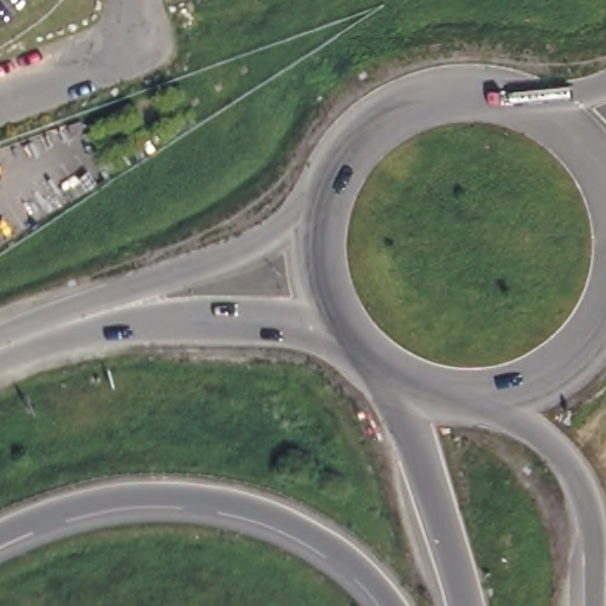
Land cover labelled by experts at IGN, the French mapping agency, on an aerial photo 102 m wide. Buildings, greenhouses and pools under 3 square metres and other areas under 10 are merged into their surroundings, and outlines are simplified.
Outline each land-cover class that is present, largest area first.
<instances>
[{"label":"herbaceous vegetation","instance_id":"1","mask_svg":"<svg viewBox=\"0 0 606 606\"><path fill-rule=\"evenodd\" d=\"M95 0H0V59H5L12 52L36 50L38 36L59 31L85 17H92ZM175 36V54L166 66L140 78L144 83L147 97H159L156 111L161 121H173L187 114L192 121L196 118L199 130L175 142L173 147L154 154L144 166L123 175L118 182H114L111 178L104 180V175L95 180L92 192L76 194L62 208L47 215L26 218L24 230L7 237L0 244V305L36 291L62 286L64 282L76 277H88L95 282L111 279L140 270L144 265H156L161 260L175 258L180 253L199 251L218 241L241 237L246 230L265 223L282 208L286 194L296 187L301 173L305 170L310 154L317 147L324 128L334 123L343 111H348L350 104H355L362 95L386 83L388 66L383 62H393L395 66H410L421 59H440L450 57L452 52H464L469 45L481 43L502 45L504 52L516 62L523 52H533L540 59L549 62V73L552 78L570 80L597 73L594 66H580V59L606 54V0H161ZM116 97H111L102 88L83 99H73L57 109L0 125V149H17L19 144L28 147L36 137H45L52 130L83 123L88 114L111 104ZM348 265L362 305L372 315V320L402 348L443 365H497L518 357L537 343H542L549 334L559 329V324L573 310L589 270V223L580 192L575 189L570 175L544 147L526 137L523 133L495 123H450L405 140L374 166L353 206L348 227ZM360 393L331 365L312 355L305 357L303 365L251 360L244 365H230L166 357L140 360L116 353L107 357L78 360L71 365L43 369L7 388H0V511H7L17 504L59 490L123 476H185L246 485L296 502L308 511L343 528L360 544H365L386 568L393 570L400 587L412 597L417 606H433V597L421 582V575L414 566V556L402 530L388 452L374 436H369V424L357 419ZM279 443L303 445L324 464L343 471V481L334 478L329 483H322L317 476L272 471L267 464V455ZM601 407H606V367H601L580 391L561 398L554 407L544 410V417L549 419L559 417L561 424H570L578 431ZM464 476L452 483L476 554V563L483 575V587L492 589L488 606H559V594L552 587V554L547 528L540 518L535 499H530L528 490L518 485L516 473L504 462H499L488 447L473 443L462 455ZM0 606H360L334 578L315 568L312 563L289 556L286 552L263 540L237 537L223 528L199 523L140 521L104 526L71 535V540L43 544L38 552H31L21 559H9L5 561V566H0Z\"/></svg>","mask_w":606,"mask_h":606},{"label":"impervious surface","instance_id":"2","mask_svg":"<svg viewBox=\"0 0 606 606\"><path fill-rule=\"evenodd\" d=\"M175 54V36L161 0H95L92 17H85L59 31L38 36L36 50L12 52L5 59H0V125L57 109L73 99H83L102 88L111 97H116L118 83L140 78L166 66ZM580 66H594L597 73L570 80L552 78L549 73L535 80L530 73H523L511 66L440 64L410 71L407 76L386 83L362 95L355 104H350L348 111H343L334 123L324 128L317 147L310 154L305 170L301 173L296 187L286 194L282 208L265 223L246 230L241 237L218 241L199 251L180 253L175 258L161 260L156 265H144L140 270L111 279L95 282L88 277H76L64 282L62 286L36 291L0 305V388H7L43 369L71 365L78 360L107 357L116 353L140 360L166 357L230 365H244L251 360L303 365L305 357L312 355L331 365L360 393L357 419L369 424V436H374L388 452L402 530L414 556V566L421 575V582L433 597V606H488L492 589L483 587V575L476 563V554L452 483L447 459L438 438V424L478 426L485 431H495L528 445L533 452L540 455V459L549 466V471L563 490L570 518L566 578L559 594V606H606V499L582 452L559 428L552 426L549 419L544 417V410L554 407L561 398L580 391L601 367H606V54L580 59ZM450 123H495L523 133L526 137L544 147L570 175L575 189L580 192L589 223V270L573 310L559 324V329L549 334L542 343H537L518 357L497 365H443L402 348L372 320V315L362 305L348 265V227L353 206L374 166L405 140ZM92 125L83 123L52 130L45 137H36L28 147L19 144L17 149H0V244L7 237L24 230L26 218L47 215L62 208L76 194L92 192L95 180L104 175V168L95 163L90 149ZM140 521L199 523L223 528L237 537L263 540L286 552L289 556L312 563L315 568L334 578L360 606H417L412 597L400 587L393 570L386 568L365 544H360L343 528L308 511L296 502L246 485L185 476H123L59 490L17 504L7 511H0V566H5V561L9 559H21L31 552H38L43 544L71 540V535L104 526Z\"/></svg>","mask_w":606,"mask_h":606},{"label":"pervious surface","instance_id":"3","mask_svg":"<svg viewBox=\"0 0 606 606\"><path fill-rule=\"evenodd\" d=\"M388 66L386 83L407 76L410 71L440 64L511 66L523 73H530L535 80L549 73V62L540 59L533 52H523L516 62L504 52L502 45L481 43L469 45L464 52H452L450 57L440 59H421L410 66H395L393 62H383ZM552 426L559 428L582 452L606 499V466L599 452L585 438L578 436V431L570 424H561L559 417L549 419ZM438 438L447 459L452 483L464 476L462 455L473 443L488 447L499 462H504L516 473L518 485L528 490L530 499H535L540 518L547 528L552 554V587L559 594L566 578L570 518L563 490L549 471V466L540 459V455L533 452L528 445L495 431H485L478 426L438 424Z\"/></svg>","mask_w":606,"mask_h":606},{"label":"brushwood","instance_id":"4","mask_svg":"<svg viewBox=\"0 0 606 606\"><path fill-rule=\"evenodd\" d=\"M159 97H147L144 83L140 78L118 83L116 97L111 104L88 114L83 123L92 125L90 149L95 163L104 168V180L111 178L114 182H118L123 175L144 166L154 154L173 147L175 142L199 130L196 118L192 121L187 114L173 121H161L156 111ZM267 464L272 471L317 476L322 483H329L334 478L343 481V471L324 464L303 445L279 443L267 455Z\"/></svg>","mask_w":606,"mask_h":606},{"label":"agricultural land","instance_id":"5","mask_svg":"<svg viewBox=\"0 0 606 606\"><path fill-rule=\"evenodd\" d=\"M578 436L585 438L599 452L606 466V407H601L578 431Z\"/></svg>","mask_w":606,"mask_h":606}]
</instances>
